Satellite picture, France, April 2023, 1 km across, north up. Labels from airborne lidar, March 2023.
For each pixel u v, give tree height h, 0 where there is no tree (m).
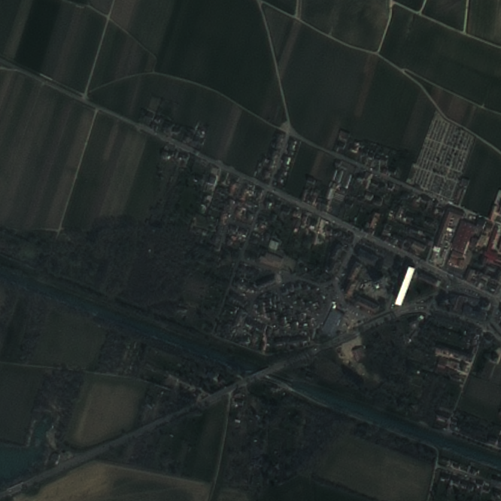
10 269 6
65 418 16
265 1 0
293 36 0
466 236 0
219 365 16
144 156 0
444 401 7
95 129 0
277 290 0
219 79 0
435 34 0
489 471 0
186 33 0
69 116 0
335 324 0
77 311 16
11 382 0
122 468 0
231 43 0
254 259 17
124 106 0
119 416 0
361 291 9
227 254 6
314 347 0
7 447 7
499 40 0
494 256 0
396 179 0
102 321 15
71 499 0
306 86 0
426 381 7
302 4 0
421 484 0
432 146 0
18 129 0
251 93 0
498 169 0
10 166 0
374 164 0
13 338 0
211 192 11
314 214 0
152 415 0
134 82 0
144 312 16
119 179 0
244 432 0
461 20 0
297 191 0
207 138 0
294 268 0
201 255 6
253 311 0
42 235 0
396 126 0
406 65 0
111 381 0
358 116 0
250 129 0
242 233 0
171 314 13
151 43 0
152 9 0
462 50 0
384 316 0
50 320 0
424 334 8
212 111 0
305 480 0
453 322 14
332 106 0
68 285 10
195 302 0
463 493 7
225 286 11
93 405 0
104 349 8
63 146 0
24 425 0
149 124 0
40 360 0
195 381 13
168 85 0
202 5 0
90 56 0
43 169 0
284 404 11
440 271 0
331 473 0
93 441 0
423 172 0
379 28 0
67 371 16
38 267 14
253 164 0
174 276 8
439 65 0
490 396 0
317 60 0
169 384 0
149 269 6
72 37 0
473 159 0
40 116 0
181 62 0
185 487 0
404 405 12
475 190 0
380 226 0
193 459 0
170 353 17
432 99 0
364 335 15
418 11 0
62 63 0
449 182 0
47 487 0
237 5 0
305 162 0
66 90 0
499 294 0
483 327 0
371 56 0
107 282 31
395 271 9
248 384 10
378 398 14
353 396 0
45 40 0
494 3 0
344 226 0
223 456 0
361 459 0
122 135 0
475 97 0
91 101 0
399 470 0
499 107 0
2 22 0
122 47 0
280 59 0
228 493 0
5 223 0
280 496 0
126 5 0
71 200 0
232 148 0
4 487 11
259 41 0
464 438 5
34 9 0
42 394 6
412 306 0
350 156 0
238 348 0
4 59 0
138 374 16
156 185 0
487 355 10
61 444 10
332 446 23
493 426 6
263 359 0
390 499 0
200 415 8
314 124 0
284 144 0
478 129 0
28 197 0
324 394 0
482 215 0
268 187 0
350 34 0
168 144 0
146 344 8
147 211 0
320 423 10
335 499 0
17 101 0
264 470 13
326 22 0
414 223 6
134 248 29
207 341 8
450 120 0
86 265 12
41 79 0
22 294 18
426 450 15
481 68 0
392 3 0
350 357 0
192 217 5
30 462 0
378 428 13
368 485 0
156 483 0
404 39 0
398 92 0
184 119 0
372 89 0
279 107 0
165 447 0
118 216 0
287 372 0
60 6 0
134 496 0
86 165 0
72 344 0
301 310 0
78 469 0
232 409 0
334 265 0
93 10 0
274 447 0
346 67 0
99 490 0
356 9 0
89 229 0
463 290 0
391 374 11
